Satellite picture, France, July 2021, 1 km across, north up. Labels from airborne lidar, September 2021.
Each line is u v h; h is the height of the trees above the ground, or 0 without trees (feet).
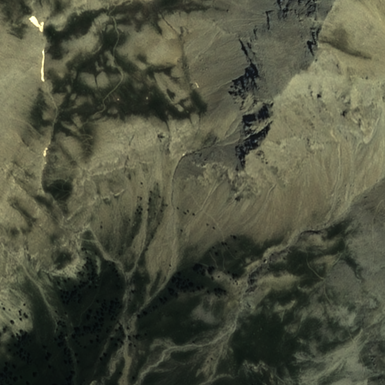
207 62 0
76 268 0
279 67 0
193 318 0
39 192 0
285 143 0
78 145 0
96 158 0
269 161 0
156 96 0
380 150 0
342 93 0
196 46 0
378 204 0
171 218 0
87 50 0
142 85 0
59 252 0
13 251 0
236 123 0
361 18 0
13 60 0
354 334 0
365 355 0
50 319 0
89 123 0
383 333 0
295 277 0
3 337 0
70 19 0
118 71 0
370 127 0
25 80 0
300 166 0
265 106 0
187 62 0
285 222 0
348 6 0
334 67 0
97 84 0
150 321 0
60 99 0
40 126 0
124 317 0
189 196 0
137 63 0
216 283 0
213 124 0
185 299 0
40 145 0
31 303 0
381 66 0
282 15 0
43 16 0
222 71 0
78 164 0
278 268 0
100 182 0
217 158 0
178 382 0
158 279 0
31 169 0
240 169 0
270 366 0
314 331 0
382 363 0
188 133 0
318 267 0
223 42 0
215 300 0
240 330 0
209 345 0
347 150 0
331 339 0
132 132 0
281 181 0
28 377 0
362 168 0
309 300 0
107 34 0
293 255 0
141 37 0
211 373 0
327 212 0
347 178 0
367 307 0
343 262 0
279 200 0
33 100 0
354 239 0
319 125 0
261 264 0
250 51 0
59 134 0
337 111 0
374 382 0
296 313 0
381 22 0
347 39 0
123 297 0
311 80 0
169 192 0
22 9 0
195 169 0
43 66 0
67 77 0
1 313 0
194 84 0
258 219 0
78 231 0
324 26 0
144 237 0
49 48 0
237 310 0
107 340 0
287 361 0
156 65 0
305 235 0
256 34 0
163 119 0
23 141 0
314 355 0
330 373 0
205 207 0
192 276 0
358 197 0
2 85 0
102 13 0
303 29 0
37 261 0
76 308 0
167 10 0
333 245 0
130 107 0
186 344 0
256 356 0
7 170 0
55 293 0
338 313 0
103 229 0
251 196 0
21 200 0
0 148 0
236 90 0
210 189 0
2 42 0
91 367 0
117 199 0
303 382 0
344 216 0
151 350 0
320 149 0
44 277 0
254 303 0
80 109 0
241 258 0
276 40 0
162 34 0
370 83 0
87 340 0
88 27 0
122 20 0
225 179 0
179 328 0
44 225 0
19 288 0
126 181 0
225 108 0
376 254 0
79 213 0
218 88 0
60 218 0
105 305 32
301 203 0
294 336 0
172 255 0
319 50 0
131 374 0
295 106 0
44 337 0
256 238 0
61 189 0
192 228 0
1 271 0
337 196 0
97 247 0
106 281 0
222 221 0
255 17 0
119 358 0
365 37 0
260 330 0
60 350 0
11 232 0
